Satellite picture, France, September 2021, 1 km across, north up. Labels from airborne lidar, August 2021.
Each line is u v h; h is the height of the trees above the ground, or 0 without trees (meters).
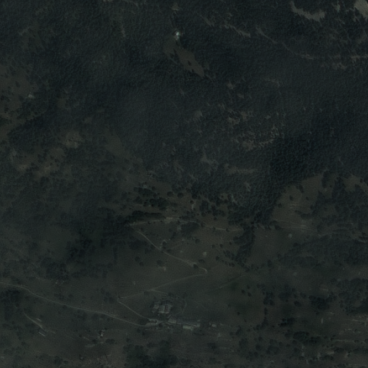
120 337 0
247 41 20
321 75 16
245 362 0
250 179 18
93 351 0
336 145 15
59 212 0
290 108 20
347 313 6
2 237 15
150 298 0
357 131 20
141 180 0
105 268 13
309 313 0
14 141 18
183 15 23
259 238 0
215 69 17
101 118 11
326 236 8
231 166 13
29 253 11
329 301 13
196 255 0
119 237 17
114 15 7
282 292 0
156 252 0
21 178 12
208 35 22
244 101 22
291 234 0
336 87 14
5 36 10
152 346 12
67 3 15
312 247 14
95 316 9
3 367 0
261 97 14
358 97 16
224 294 0
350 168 16
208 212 11
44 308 0
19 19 22
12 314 17
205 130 24
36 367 0
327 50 7
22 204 16
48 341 0
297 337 13
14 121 0
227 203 17
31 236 13
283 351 0
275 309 0
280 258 12
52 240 0
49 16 8
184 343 0
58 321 0
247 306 0
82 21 15
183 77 12
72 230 15
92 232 16
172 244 0
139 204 10
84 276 14
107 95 25
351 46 24
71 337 0
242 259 15
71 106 14
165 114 12
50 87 12
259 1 23
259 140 10
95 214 16
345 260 6
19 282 9
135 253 0
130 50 17
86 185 16
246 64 11
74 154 14
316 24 11
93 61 17
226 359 0
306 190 0
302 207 0
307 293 0
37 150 0
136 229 0
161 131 17
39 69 10
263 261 0
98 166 17
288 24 19
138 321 0
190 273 0
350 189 0
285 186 13
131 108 16
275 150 17
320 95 23
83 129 14
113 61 16
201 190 18
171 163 7
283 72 18
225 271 0
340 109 16
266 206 15
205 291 0
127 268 0
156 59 19
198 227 15
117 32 9
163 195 0
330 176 10
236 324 0
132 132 21
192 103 24
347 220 14
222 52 18
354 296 11
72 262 15
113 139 0
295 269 10
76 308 0
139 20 19
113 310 0
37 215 7
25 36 10
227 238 0
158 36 14
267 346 0
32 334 9
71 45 18
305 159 18
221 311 0
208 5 8
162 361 13
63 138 7
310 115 25
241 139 14
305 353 0
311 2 25
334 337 7
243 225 8
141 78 21
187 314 0
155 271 0
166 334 0
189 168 19
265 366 0
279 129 12
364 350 9
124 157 0
